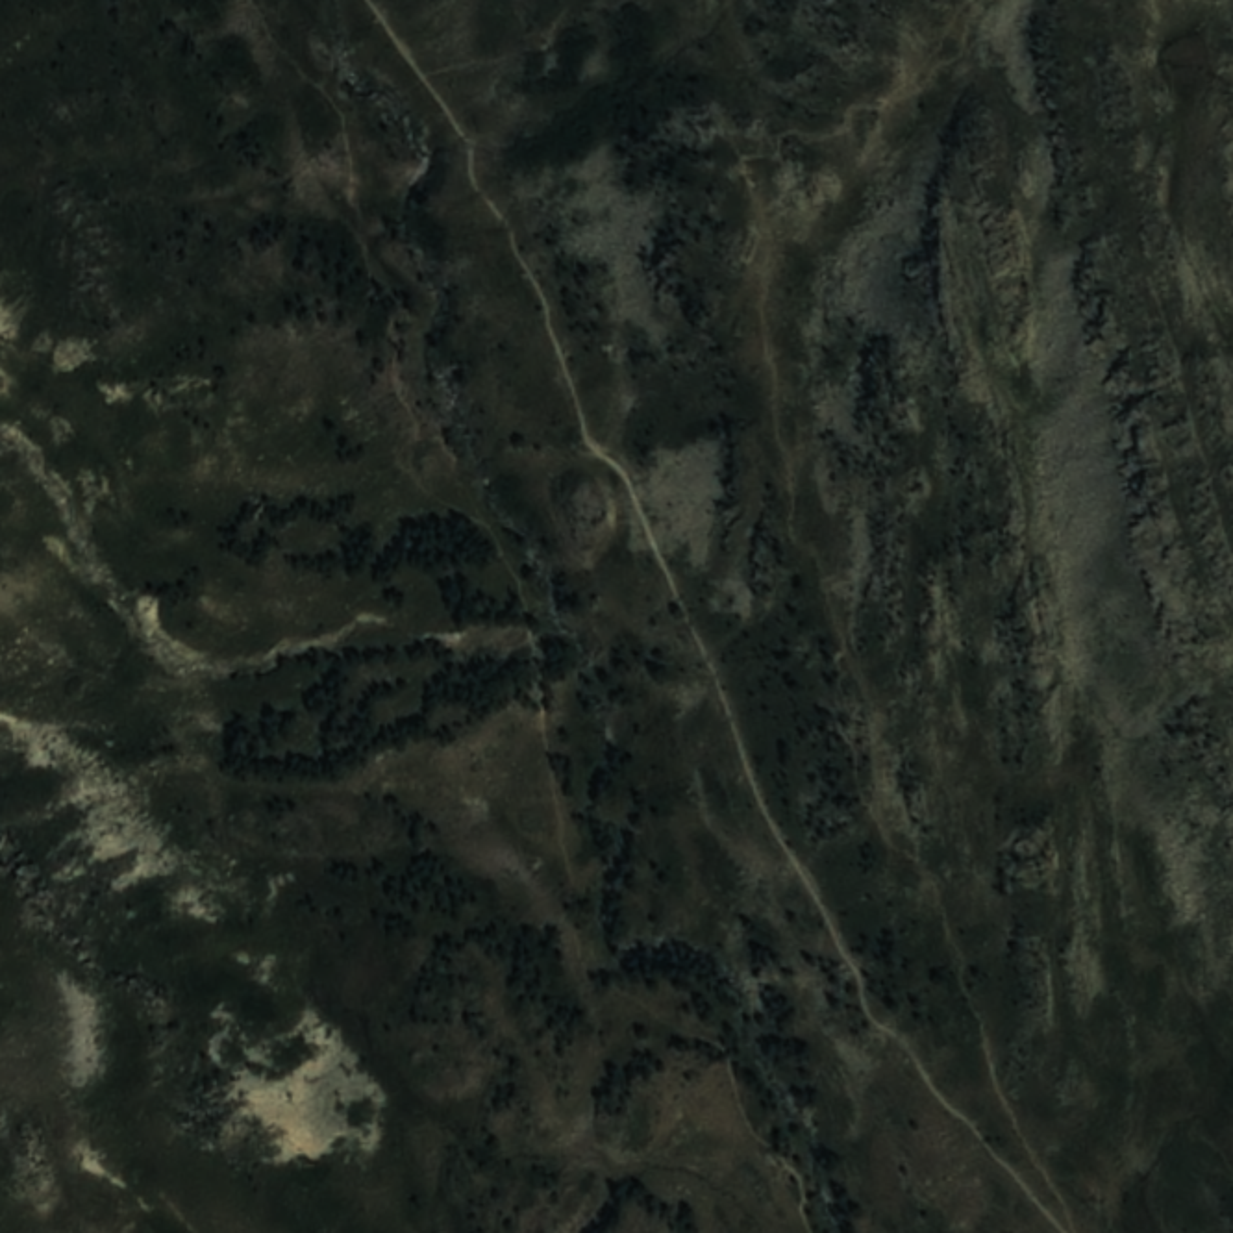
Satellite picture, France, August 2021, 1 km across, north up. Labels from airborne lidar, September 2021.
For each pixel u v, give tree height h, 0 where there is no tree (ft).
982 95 0
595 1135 0
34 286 0
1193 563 0
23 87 0
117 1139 0
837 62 0
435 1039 0
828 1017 0
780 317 0
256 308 0
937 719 0
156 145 0
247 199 0
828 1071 0
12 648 0
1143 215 0
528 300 0
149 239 0
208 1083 25
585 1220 0
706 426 0
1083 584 0
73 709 0
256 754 48
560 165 0
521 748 0
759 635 0
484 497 0
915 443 0
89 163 0
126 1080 0
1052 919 0
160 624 0
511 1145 0
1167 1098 0
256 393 0
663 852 0
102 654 0
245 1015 0
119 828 0
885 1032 0
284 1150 0
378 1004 0
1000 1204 0
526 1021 0
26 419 0
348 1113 0
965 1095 0
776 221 0
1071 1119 0
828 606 0
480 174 0
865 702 0
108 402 0
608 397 0
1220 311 0
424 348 0
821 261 0
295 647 0
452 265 0
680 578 0
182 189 0
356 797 0
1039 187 0
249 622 0
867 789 0
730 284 0
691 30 0
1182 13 0
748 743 0
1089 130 0
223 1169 0
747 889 0
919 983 0
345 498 24
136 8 0
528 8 0
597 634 0
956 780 0
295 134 0
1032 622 0
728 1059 27
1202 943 0
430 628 0
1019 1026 0
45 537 0
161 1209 0
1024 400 0
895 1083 0
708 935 0
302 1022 0
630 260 0
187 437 0
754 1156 0
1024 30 0
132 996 0
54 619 0
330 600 0
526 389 0
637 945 0
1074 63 0
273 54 0
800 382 0
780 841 0
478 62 0
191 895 0
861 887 0
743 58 0
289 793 0
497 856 0
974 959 0
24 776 0
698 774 0
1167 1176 0
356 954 0
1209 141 0
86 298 0
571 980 0
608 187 0
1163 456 0
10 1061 0
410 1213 0
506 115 0
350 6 0
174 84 0
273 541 42
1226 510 0
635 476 0
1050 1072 0
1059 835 0
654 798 0
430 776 0
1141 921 0
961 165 0
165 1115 0
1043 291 0
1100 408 0
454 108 0
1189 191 0
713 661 0
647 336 0
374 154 0
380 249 0
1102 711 0
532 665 24
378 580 27
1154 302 0
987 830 0
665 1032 0
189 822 0
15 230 0
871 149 0
